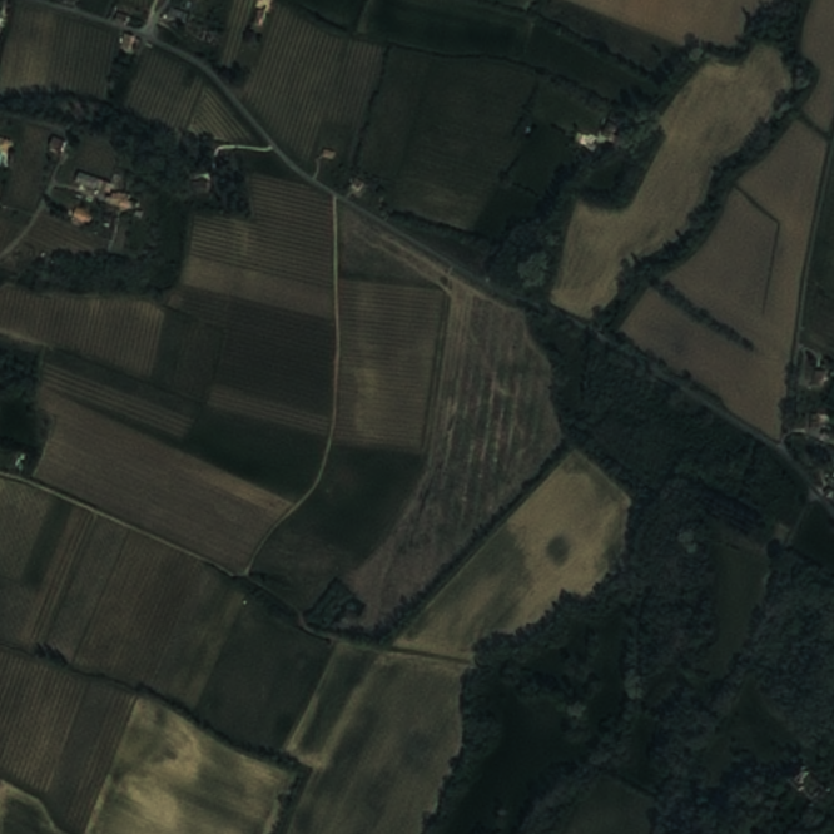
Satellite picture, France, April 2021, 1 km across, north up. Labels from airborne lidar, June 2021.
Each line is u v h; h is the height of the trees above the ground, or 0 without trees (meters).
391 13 0
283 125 0
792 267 0
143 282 18
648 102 29
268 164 0
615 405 12
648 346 0
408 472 0
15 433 0
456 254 0
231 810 0
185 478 0
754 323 0
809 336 0
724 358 0
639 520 20
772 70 0
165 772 0
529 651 21
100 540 0
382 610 0
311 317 0
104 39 0
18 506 0
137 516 0
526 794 0
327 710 0
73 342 0
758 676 11
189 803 0
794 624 15
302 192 0
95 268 10
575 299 0
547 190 0
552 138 0
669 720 23
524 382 0
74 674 0
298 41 0
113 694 0
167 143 21
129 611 0
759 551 0
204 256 0
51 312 0
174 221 0
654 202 0
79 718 0
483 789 0
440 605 0
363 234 0
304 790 0
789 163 0
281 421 0
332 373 0
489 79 0
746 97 0
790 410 17
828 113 0
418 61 0
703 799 25
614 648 0
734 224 0
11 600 0
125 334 0
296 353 0
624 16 0
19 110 14
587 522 0
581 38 9
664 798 15
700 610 8
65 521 0
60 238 0
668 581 37
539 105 0
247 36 9
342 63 0
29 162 0
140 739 0
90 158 0
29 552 0
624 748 18
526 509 0
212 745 0
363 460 0
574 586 0
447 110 0
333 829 0
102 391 0
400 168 0
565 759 0
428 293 0
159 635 0
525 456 0
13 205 0
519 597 0
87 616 0
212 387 0
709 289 0
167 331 0
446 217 0
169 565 0
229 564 0
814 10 0
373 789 0
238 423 0
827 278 0
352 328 0
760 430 0
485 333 0
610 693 0
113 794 0
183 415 0
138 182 12
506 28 0
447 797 15
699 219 12
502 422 0
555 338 0
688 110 0
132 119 21
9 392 20
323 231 0
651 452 14
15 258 0
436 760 0
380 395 0
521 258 21
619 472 20
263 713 0
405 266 0
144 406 0
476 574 0
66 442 0
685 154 0
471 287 0
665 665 23
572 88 16
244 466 0
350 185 7
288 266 0
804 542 0
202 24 6
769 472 15
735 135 0
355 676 0
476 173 0
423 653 0
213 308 0
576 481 0
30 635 0
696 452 11
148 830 0
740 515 19
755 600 0
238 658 0
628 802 0
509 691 0
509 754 0
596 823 0
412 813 0
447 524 0
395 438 0
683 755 17
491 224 0
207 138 12
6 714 0
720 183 16
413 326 0
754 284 0
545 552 0
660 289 16
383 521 0
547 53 0
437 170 0
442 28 0
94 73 0
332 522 0
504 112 0
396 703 0
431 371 0
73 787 0
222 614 0
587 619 16
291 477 0
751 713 0
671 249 13
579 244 0
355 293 0
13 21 0
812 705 22
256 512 0
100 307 0
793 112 19
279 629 0
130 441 0
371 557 0
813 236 0
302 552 0
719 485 11
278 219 0
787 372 0
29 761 0
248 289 0
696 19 0
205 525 0
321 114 0
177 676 0
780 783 16
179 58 0
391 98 0
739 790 23
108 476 0
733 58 10
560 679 0
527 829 16
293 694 0
